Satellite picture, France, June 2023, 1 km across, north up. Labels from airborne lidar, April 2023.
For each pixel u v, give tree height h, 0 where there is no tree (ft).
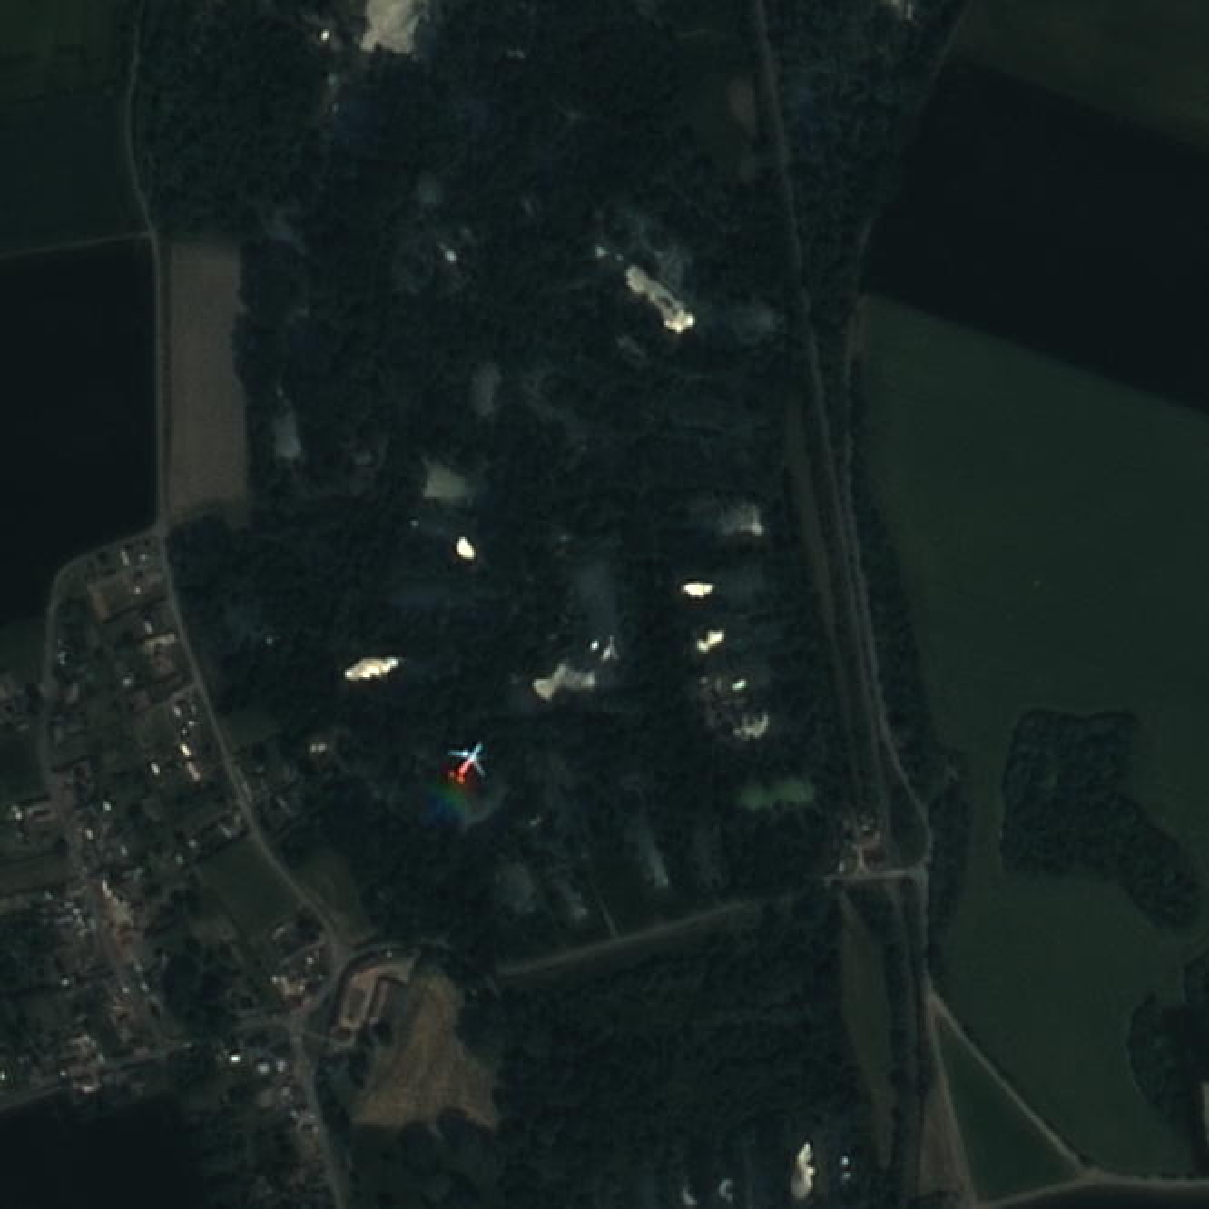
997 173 0
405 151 22
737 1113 22
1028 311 0
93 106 0
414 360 89
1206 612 0
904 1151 26
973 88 0
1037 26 0
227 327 0
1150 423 0
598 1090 75
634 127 59
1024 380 0
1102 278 0
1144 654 0
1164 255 0
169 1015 0
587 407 50
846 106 58
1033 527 0
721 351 38
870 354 0
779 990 17
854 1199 85
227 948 34
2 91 0
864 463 32
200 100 39
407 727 90
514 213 69
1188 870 33
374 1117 0
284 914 0
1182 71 0
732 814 65
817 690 57
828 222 67
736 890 40
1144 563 0
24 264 0
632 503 106
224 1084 0
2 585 0
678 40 86
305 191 92
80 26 0
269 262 89
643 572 42
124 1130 0
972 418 0
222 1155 27
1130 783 0
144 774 21
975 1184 0
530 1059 90
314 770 60
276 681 49
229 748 0
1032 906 0
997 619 0
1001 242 0
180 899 49
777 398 52
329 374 110
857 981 0
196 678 0
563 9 82
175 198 87
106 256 0
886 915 26
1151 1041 38
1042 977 0
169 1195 0
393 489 49
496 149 82
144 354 0
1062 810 67
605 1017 27
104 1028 0
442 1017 0
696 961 20
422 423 72
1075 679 0
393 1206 31
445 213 59
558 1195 64
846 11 88
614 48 63
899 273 0
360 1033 32
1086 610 0
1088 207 0
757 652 26
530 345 47
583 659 0
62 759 0
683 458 112
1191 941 0
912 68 100
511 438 55
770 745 33
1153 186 0
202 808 0
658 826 36
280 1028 0
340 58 50
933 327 0
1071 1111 0
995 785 0
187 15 29
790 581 33
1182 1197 0
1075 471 0
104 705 0
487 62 38
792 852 63
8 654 0
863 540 45
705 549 93
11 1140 0
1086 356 0
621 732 51
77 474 0
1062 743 41
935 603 0
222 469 0
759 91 29
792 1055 68
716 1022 0
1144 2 0
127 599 0
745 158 0
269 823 34
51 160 0
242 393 0
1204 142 0
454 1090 0
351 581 77
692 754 24
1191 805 0
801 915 51
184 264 0
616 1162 59
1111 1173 0
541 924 35
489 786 33
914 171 0
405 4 0
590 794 66
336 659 40
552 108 72
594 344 88
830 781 70
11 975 44
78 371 0
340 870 0
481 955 108
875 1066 0
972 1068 0
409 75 73
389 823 108
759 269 33
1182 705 0
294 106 23
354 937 0
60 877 0
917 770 39
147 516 0
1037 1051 0
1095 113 0
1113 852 41
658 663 41
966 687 0
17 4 0
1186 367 0
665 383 47
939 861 39
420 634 42
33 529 0
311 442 98
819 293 49
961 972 0
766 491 59
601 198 69
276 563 49
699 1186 83
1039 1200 0
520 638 36
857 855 0
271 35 41
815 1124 43
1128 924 0
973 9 0
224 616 45
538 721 33
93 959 0
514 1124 20
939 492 0
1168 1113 19
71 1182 0
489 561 57
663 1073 56
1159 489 0
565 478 88
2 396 0
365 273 103
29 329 0
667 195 51
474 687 32
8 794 0
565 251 42
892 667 47
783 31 59
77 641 19
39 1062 34
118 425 0
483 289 63
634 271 0
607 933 0
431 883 50
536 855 28
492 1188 0
